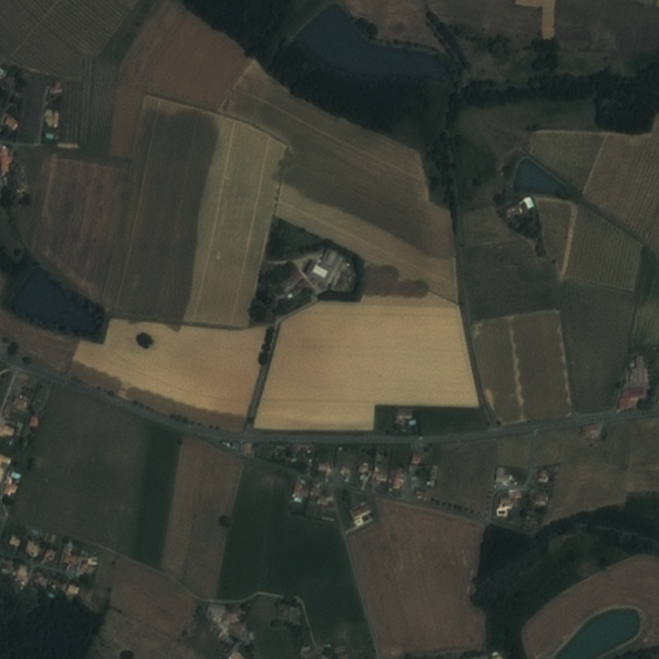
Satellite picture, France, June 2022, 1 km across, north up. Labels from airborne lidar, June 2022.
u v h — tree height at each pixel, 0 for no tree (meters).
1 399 0
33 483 0
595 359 0
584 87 29
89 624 16
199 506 0
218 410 0
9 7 0
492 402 0
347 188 0
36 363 0
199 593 0
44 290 0
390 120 19
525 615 0
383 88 18
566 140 0
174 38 0
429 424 0
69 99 0
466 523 0
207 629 0
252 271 0
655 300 0
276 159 0
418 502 0
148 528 0
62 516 0
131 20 0
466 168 0
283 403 0
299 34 0
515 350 0
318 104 11
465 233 0
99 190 0
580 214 0
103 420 0
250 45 19
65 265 0
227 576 0
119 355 0
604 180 0
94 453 0
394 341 0
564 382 0
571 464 0
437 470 0
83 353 0
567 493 0
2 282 0
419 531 0
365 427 0
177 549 0
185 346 0
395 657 0
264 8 19
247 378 0
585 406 0
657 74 21
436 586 0
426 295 0
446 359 0
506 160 0
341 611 0
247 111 0
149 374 0
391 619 0
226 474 0
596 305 0
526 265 0
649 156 0
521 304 0
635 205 0
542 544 16
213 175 0
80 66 0
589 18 0
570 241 0
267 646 0
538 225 5
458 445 0
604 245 0
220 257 0
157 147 0
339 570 0
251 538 0
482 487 0
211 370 0
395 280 0
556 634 0
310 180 0
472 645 0
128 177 0
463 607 0
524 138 0
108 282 0
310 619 0
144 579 0
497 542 14
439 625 0
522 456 0
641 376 0
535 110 0
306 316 0
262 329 0
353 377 0
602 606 0
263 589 0
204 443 0
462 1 0
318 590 0
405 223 0
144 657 0
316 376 0
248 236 0
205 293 0
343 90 20
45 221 0
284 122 0
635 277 0
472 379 0
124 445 0
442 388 0
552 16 0
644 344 0
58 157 0
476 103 12
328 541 0
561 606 0
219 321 0
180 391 0
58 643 17
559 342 0
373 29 15
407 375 0
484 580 14
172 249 0
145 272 0
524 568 11
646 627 0
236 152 0
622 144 0
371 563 0
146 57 0
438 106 0
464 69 9
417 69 0
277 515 0
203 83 0
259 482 0
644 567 0
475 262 0
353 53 0
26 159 0
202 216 0
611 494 0
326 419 0
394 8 0
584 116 0
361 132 0
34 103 0
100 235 0
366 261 0
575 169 0
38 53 0
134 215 0
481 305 0
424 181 0
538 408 0
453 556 0
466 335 0
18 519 0
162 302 0
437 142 9
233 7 24
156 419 0
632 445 0
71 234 0
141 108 0
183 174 0
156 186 0
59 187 0
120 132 0
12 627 19
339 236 0
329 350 0
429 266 0
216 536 0
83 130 0
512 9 0
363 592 0
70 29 0
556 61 16
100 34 0
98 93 0
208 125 0
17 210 0
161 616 0
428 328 0
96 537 0
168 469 0
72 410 0
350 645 0
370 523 0
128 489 0
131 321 0
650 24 0
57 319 0
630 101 18
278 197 0
